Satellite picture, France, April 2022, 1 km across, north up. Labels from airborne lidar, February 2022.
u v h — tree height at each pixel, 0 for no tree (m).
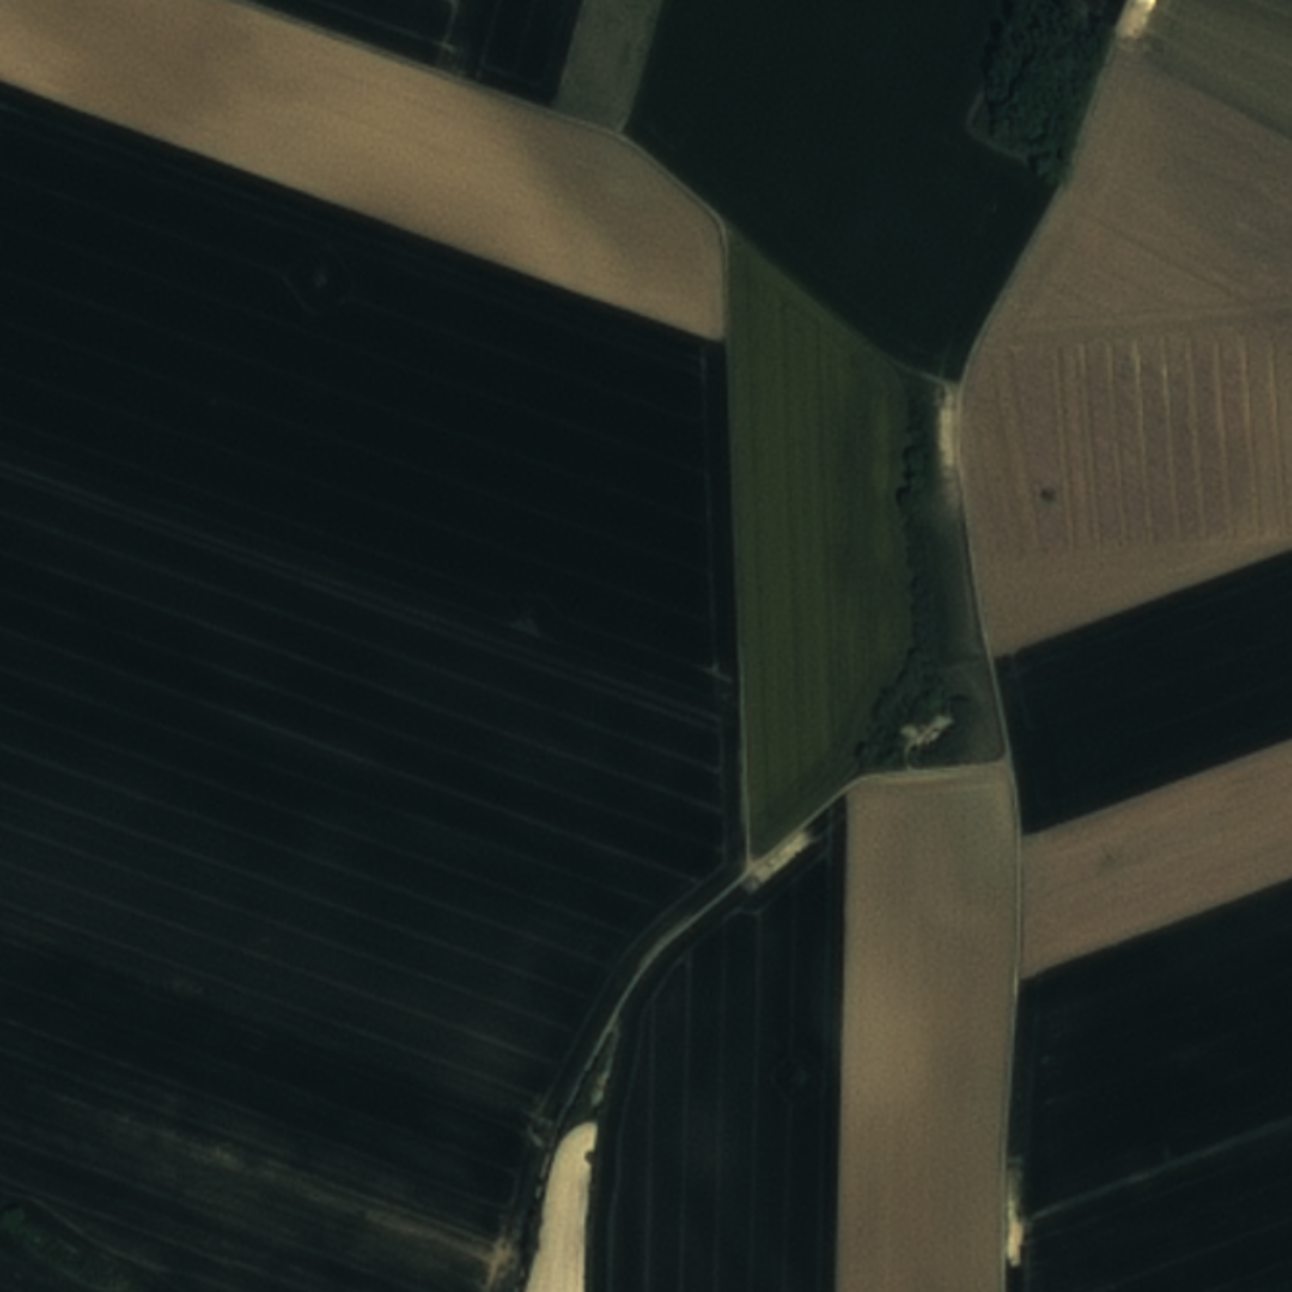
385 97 0
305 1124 0
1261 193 0
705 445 0
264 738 0
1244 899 0
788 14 0
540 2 0
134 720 0
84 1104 0
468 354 0
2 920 0
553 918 0
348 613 0
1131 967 0
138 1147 0
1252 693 0
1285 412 0
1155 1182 0
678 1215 0
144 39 0
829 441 0
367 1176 0
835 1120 0
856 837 0
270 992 0
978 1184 0
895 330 0
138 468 0
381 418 0
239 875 0
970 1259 0
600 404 0
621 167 0
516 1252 0
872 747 7
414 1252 0
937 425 0
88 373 0
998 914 0
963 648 0
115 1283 10
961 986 0
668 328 0
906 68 0
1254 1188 0
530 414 0
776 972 0
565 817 0
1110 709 0
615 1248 0
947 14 0
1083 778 0
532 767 0
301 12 0
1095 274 0
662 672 0
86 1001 0
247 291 0
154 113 0
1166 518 0
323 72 0
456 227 0
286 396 0
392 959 0
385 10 0
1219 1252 0
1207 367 0
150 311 0
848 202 0
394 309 0
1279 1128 0
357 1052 0
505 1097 0
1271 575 0
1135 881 0
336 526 0
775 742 0
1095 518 0
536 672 0
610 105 0
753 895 0
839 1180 0
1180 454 0
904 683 10
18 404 0
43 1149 0
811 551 0
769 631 0
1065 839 0
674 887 0
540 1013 0
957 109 0
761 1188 0
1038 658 0
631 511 0
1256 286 0
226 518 0
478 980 0
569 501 0
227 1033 0
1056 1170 0
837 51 0
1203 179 0
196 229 0
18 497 0
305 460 0
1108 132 0
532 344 0
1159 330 0
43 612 0
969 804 0
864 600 0
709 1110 0
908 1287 0
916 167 0
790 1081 0
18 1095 0
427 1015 0
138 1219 0
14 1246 0
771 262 0
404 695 0
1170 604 0
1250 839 0
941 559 0
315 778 0
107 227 0
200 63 0
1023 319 0
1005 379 0
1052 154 18
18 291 0
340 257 0
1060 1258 0
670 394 0
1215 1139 0
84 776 0
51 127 0
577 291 0
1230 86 0
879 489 0
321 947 0
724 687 0
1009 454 0
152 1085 0
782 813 0
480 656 0
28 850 0
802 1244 0
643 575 0
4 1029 0
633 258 0
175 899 0
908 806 0
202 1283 0
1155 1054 0
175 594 0
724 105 0
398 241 0
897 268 0
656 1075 0
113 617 0
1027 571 0
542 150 0
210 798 0
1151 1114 0
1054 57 19
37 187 0
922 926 0
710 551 0
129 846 0
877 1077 0
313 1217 0
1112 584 0
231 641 0
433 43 0
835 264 0
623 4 0
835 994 0
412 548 0
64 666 0
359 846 0
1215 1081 0
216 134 0
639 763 0
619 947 0
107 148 0
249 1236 0
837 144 0
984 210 0
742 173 0
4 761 0
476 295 0
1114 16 0
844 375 0
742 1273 0
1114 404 0
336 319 0
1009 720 0
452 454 0
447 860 0
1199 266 0
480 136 0
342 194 0
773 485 0
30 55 0
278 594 0
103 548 0
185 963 0
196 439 0
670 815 0
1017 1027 0
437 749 0
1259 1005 0
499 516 0
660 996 0
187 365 0
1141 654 0
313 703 0
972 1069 0
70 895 0
